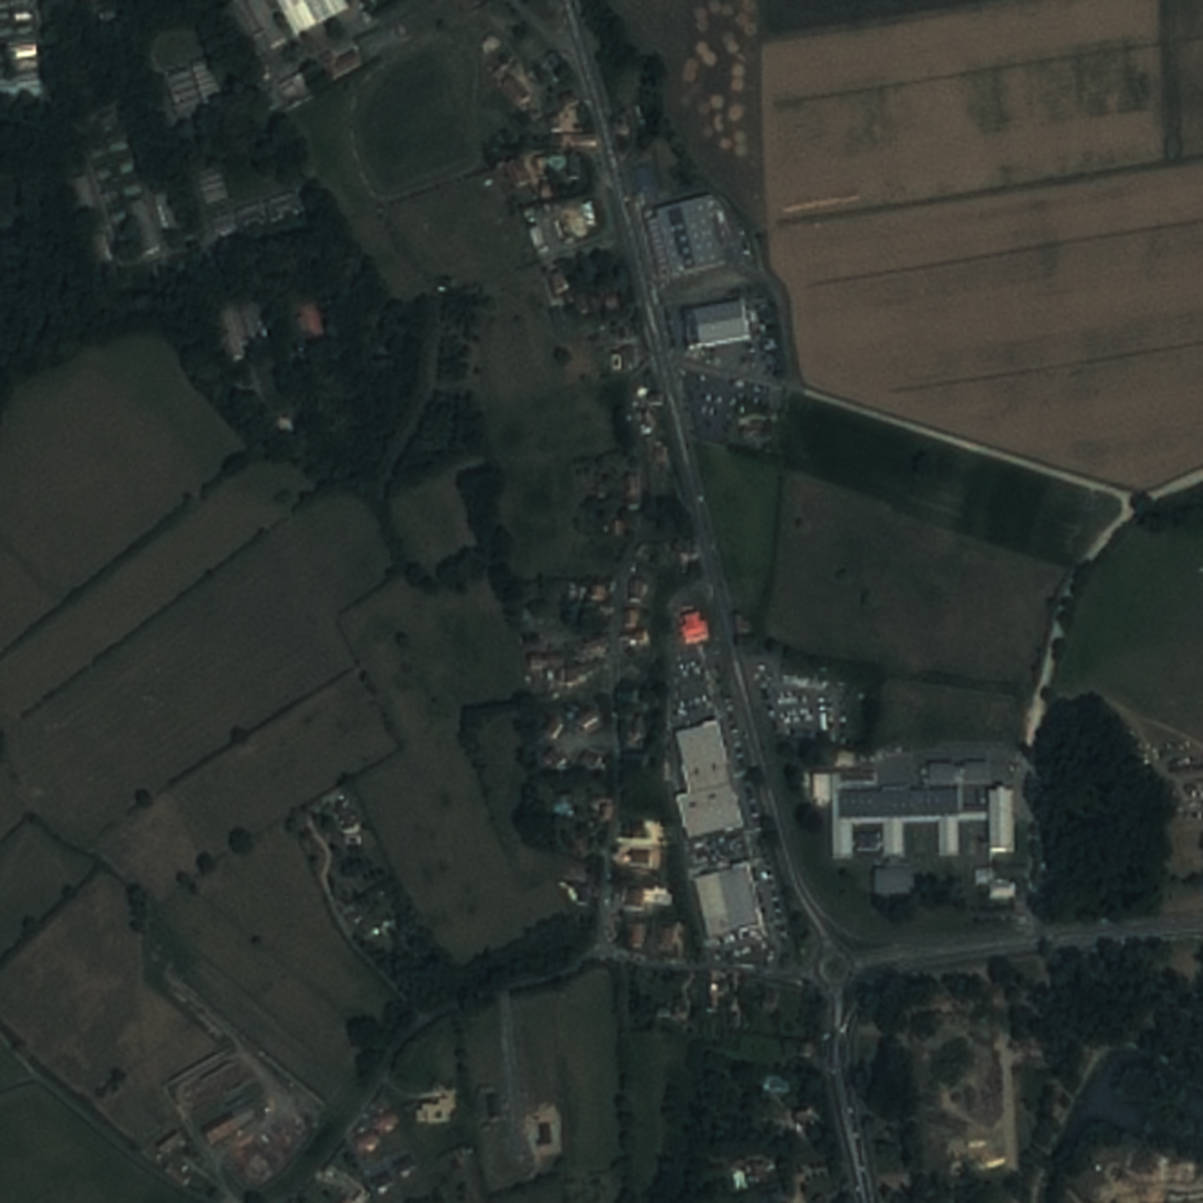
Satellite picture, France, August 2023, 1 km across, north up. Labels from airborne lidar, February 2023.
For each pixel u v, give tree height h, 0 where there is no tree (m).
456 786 0
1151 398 0
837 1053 0
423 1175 0
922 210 0
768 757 0
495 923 0
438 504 0
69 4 15
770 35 0
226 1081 0
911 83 0
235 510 0
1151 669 0
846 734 0
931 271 0
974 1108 0
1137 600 0
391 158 0
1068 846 23
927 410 0
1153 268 0
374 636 0
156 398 0
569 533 0
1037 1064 0
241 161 19
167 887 0
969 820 0
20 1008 0
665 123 14
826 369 0
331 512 0
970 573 0
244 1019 0
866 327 0
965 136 0
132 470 0
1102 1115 0
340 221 18
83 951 0
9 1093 0
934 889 20
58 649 0
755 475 0
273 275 19
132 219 7
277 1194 0
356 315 21
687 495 0
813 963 0
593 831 10
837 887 0
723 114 0
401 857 0
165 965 0
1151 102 0
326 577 0
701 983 0
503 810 0
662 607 0
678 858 7
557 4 0
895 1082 24
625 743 9
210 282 24
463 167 0
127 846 0
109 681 0
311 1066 0
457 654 0
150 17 20
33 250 23
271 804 0
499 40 0
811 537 0
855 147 0
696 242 0
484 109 0
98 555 0
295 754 0
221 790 0
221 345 17
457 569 13
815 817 17
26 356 23
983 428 0
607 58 11
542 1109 0
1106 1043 22
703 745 0
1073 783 31
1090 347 0
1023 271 0
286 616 0
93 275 22
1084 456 0
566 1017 0
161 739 0
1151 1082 18
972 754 0
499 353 0
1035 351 0
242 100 18
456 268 0
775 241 0
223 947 0
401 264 0
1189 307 0
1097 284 0
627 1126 6
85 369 0
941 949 0
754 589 0
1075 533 0
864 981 0
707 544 0
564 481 0
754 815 0
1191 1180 0
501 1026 0
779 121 0
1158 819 21
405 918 9
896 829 0
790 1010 0
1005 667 0
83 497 0
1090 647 0
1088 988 30
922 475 11
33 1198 0
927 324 0
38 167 19
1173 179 0
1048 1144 10
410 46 0
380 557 0
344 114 0
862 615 0
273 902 0
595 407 0
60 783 0
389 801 0
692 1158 7
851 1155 0
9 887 0
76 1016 0
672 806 0
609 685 0
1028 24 0
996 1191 9
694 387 0
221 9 10
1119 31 0
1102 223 0
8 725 0
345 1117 0
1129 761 30
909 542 0
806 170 0
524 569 0
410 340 14
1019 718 0
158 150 19
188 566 0
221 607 0
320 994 0
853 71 0
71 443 0
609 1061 0
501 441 0
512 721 0
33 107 10
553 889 0
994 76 0
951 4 0
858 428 0
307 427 18
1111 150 0
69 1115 0
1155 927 0
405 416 6
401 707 0
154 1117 0
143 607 0
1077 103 0
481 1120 0
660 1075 0
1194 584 0
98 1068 0
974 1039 0
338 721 0
